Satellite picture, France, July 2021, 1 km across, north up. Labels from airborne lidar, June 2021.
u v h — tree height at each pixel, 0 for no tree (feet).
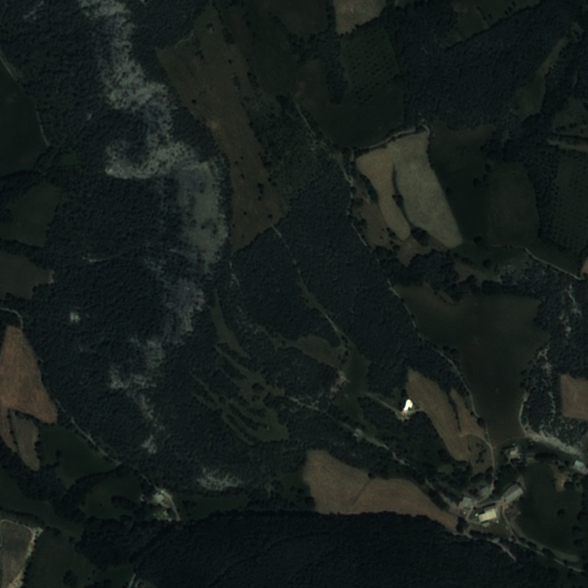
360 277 36
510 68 50
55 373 26
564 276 24
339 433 25
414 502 0
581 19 65
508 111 32
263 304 38
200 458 21
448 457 23
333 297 35
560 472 26
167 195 21
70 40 34
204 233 0
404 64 45
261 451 28
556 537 0
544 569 45
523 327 0
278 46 0
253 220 0
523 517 0
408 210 0
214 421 40
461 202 0
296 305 33
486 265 47
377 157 0
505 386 0
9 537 0
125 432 29
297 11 0
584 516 53
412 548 72
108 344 35
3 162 0
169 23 28
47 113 23
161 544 57
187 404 25
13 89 0
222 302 23
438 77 45
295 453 21
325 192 21
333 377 19
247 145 0
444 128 0
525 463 30
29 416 36
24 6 23
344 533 73
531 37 54
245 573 52
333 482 0
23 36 27
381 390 23
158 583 66
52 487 34
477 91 44
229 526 82
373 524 81
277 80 0
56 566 0
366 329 37
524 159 27
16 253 51
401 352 31
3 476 0
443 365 30
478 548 57
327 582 62
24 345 0
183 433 24
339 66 23
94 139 24
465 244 0
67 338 37
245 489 24
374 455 34
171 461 19
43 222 0
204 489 19
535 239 0
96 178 22
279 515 67
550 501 0
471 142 0
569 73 58
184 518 0
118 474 51
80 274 37
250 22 29
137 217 26
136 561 46
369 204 0
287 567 60
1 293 0
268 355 20
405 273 48
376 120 0
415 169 0
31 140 0
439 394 0
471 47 37
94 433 25
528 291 39
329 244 19
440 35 35
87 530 47
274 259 29
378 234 0
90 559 37
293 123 22
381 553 85
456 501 24
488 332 0
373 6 0
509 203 0
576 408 0
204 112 0
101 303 39
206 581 53
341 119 0
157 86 0
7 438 0
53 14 31
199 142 18
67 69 25
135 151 19
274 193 0
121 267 31
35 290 36
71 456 0
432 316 0
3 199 42
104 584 22
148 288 23
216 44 0
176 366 20
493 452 0
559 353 19
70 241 23
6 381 0
